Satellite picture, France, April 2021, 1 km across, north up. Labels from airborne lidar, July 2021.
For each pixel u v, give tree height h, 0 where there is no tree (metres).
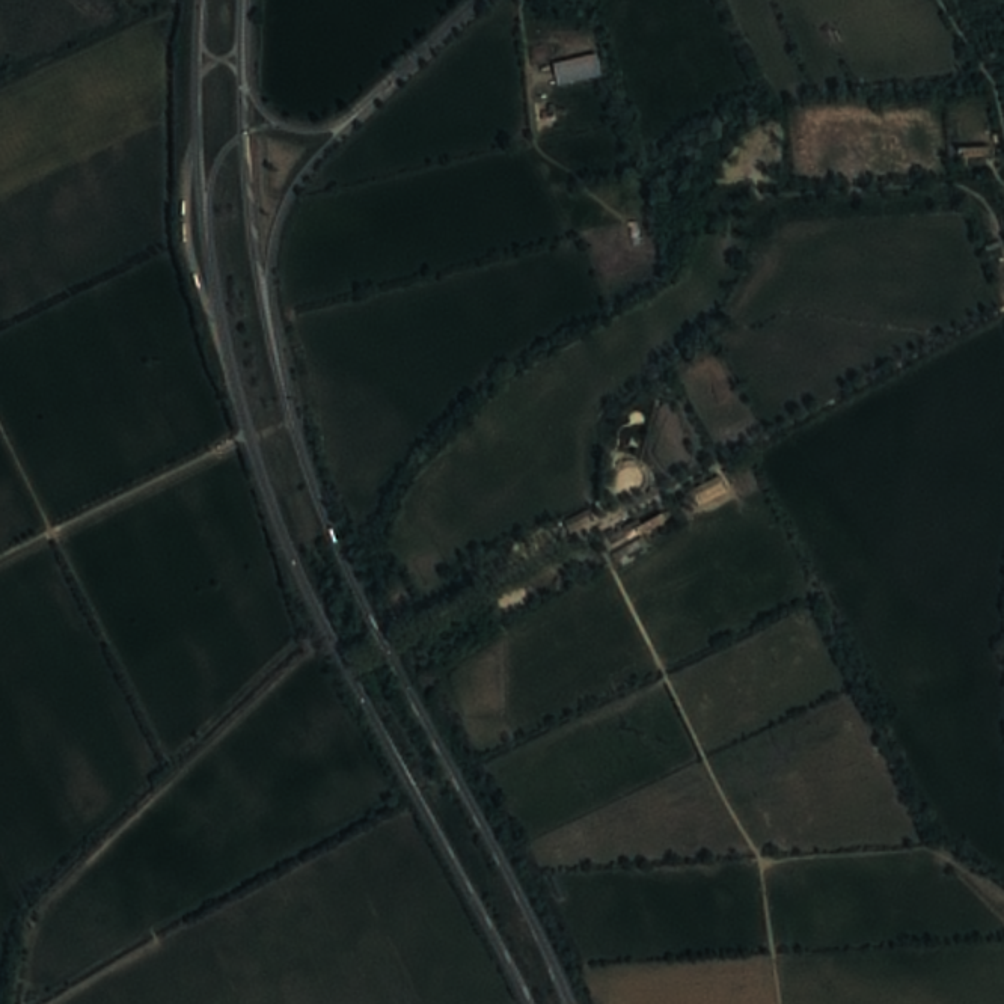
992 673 0
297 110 0
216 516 0
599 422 0
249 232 0
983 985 0
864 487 0
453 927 0
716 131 20
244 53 0
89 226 0
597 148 0
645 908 0
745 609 0
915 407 0
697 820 0
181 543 0
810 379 0
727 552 0
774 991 0
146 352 0
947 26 8
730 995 0
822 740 0
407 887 0
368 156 0
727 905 0
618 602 0
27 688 0
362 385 0
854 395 12
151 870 0
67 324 0
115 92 0
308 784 0
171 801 0
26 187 0
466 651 13
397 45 0
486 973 0
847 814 0
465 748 7
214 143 0
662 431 0
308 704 0
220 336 0
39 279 0
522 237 0
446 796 11
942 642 0
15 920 6
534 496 0
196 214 0
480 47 0
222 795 0
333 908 0
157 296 0
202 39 0
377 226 0
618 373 0
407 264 0
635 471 0
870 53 0
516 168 0
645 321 0
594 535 12
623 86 11
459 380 0
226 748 0
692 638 0
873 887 0
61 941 0
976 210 16
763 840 0
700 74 0
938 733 0
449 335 0
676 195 18
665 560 0
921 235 0
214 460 0
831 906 0
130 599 0
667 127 0
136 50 0
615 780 0
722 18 10
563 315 0
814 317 0
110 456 0
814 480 0
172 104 13
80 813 0
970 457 0
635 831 0
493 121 0
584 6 21
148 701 0
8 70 9
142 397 0
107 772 0
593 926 0
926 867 0
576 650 0
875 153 0
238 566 0
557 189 0
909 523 0
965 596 0
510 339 0
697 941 0
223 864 0
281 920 0
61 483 0
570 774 0
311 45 0
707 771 0
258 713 0
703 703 0
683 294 0
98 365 0
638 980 0
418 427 0
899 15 0
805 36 0
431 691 13
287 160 0
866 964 0
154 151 0
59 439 0
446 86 0
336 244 0
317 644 18
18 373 0
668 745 0
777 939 0
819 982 0
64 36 0
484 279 0
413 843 0
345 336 0
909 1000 0
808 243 0
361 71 0
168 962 0
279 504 0
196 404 0
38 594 0
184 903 0
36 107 0
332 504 17
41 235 0
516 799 0
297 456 0
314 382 0
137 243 0
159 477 10
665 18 0
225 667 0
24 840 0
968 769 0
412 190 0
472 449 0
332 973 0
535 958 0
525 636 0
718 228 17
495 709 0
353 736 0
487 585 23
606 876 0
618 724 0
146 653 0
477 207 0
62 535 0
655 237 10
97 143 0
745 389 14
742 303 0
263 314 0
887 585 0
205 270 0
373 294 10
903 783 17
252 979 0
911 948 14
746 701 0
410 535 0
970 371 0
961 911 0
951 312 0
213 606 0
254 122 0
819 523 0
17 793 0
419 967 0
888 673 0
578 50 0
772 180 19
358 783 0
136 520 0
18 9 0
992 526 0
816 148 0
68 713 0
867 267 0
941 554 0
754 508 0
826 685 0
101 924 0
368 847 0
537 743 0
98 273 0
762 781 0
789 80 0
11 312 0
